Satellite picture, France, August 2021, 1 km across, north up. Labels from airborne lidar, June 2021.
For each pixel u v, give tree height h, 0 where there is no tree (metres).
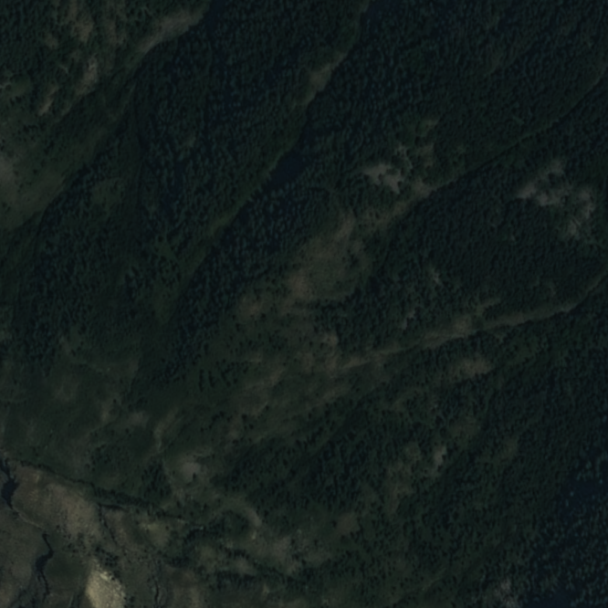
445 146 24
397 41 20
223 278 23
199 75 9
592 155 19
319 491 6
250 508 0
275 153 11
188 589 0
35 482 0
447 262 17
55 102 10
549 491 7
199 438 0
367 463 25
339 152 19
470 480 9
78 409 0
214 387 20
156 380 8
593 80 10
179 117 7
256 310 0
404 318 7
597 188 7
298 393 0
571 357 7
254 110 22
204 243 13
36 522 0
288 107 30
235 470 6
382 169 0
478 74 18
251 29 28
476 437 6
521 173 24
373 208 9
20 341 8
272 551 0
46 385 0
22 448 0
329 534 0
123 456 0
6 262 8
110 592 0
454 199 12
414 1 9
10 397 0
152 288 14
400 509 8
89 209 14
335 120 16
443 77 28
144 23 7
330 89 7
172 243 21
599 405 9
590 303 8
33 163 0
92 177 22
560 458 7
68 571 0
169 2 9
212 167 15
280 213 32
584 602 17
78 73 8
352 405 10
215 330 6
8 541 0
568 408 6
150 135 9
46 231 7
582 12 31
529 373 9
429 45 12
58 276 6
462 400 22
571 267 12
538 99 30
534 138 11
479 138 26
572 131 31
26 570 0
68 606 0
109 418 0
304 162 20
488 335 15
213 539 7
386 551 8
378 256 14
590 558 16
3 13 20
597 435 13
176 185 8
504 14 25
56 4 0
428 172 9
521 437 11
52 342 8
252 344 15
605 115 21
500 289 12
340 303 8
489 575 12
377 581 15
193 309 8
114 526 0
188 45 16
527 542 18
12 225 0
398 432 8
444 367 13
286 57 16
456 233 18
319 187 23
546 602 7
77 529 0
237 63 7
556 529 13
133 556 0
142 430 0
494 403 6
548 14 26
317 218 23
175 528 0
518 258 12
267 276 11
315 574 12
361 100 18
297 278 0
